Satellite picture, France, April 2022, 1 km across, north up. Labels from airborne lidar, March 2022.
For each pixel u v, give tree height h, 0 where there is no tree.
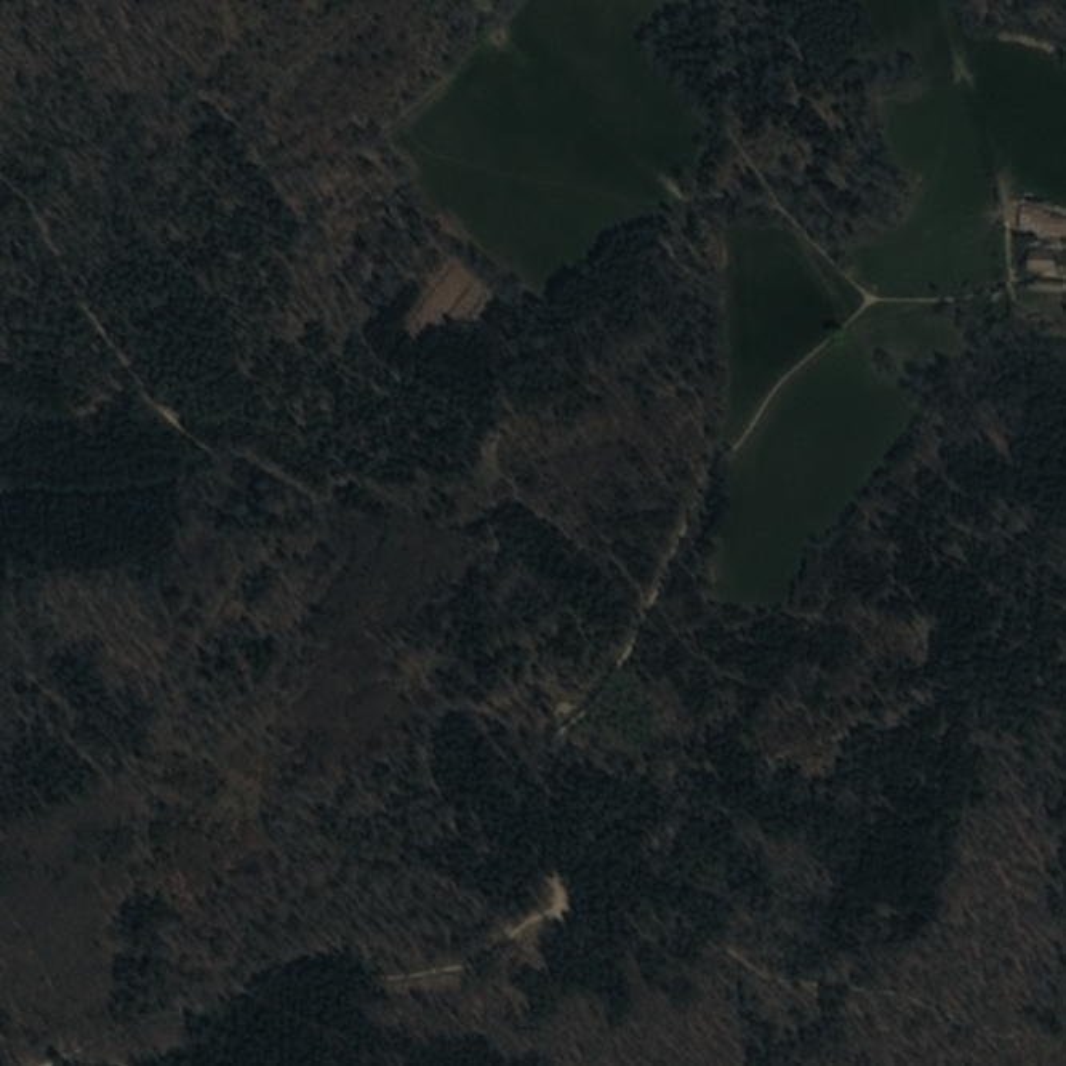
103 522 23
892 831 13
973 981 22
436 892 24
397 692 9
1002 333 16
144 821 20
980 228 0
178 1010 26
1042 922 24
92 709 22
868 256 0
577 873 19
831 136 17
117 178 16
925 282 0
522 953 18
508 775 24
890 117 0
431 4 14
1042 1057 20
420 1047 23
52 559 20
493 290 30
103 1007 13
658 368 24
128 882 14
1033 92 0
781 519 0
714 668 7
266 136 26
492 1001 21
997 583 16
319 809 26
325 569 6
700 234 22
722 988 26
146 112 23
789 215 27
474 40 23
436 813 23
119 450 26
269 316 13
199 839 8
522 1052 22
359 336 24
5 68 23
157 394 18
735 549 0
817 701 13
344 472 7
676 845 18
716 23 32
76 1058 15
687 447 8
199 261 20
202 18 28
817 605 10
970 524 20
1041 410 23
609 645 11
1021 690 21
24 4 21
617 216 0
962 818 23
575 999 24
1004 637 8
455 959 24
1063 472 21
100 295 27
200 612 7
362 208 8
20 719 22
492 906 25
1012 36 16
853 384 0
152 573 14
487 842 14
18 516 20
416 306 19
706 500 8
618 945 26
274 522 8
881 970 25
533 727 27
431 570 10
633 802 26
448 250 25
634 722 11
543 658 13
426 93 8
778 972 21
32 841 18
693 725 9
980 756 14
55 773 28
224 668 10
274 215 14
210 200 19
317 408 10
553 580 17
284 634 21
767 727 8
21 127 16
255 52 15
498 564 14
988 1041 22
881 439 0
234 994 18
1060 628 16
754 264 0
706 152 18
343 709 8
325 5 0
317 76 8
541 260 0
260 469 8
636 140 0
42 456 24
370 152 30
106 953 13
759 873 28
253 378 20
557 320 15
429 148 0
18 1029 22
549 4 0
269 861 6
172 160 21
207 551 5
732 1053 22
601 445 7
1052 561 29
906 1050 24
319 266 25
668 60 23
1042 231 0
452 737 25
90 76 21
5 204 18
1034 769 27
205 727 26
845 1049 22
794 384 0
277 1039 19
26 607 19
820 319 0
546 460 8
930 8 0
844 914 18
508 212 0
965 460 16
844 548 12
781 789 23
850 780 12
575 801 22
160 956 16
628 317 24
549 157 0
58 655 19
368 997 18
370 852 27
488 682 14
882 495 9
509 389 17
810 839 18
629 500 14
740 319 0
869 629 9
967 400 16
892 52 0
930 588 14
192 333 28
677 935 21
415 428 14
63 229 17
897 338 0
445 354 21
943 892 22
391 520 11
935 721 11
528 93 0
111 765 26
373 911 30
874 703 7
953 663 26
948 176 0
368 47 8
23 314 21
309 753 7
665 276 22
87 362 22
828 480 0
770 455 0
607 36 0
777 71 27
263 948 26
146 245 16
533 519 15
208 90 19
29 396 22
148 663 24
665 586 10
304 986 23
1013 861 22
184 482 24
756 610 0
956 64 0
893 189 29
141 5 13
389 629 5
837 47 26
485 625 20
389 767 27
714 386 10
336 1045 16
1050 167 0
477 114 0
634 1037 23
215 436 17
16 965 14
